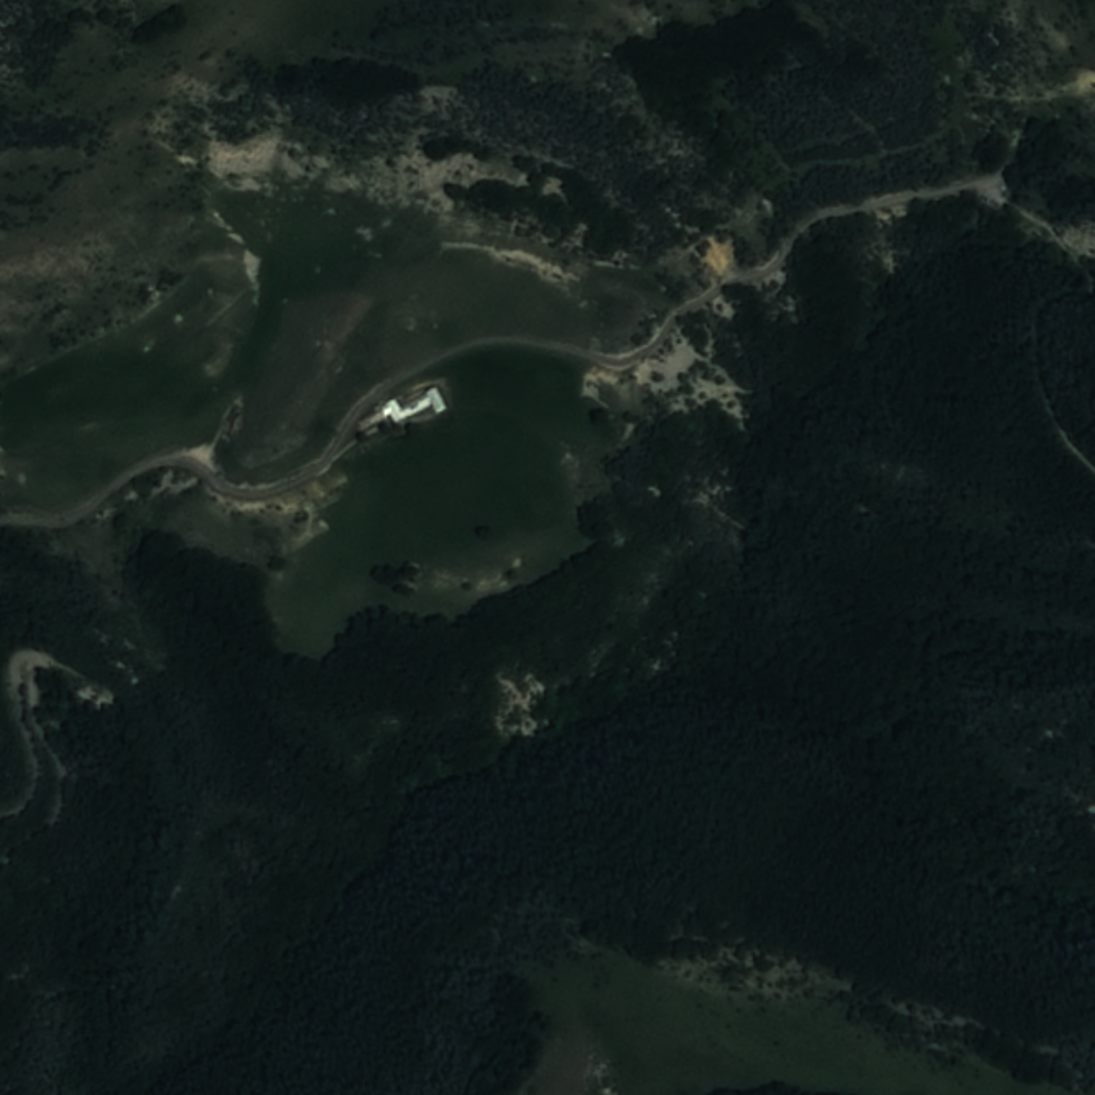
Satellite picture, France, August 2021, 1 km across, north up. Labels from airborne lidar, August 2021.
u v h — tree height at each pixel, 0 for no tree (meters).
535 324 0
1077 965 21
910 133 6
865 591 25
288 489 0
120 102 0
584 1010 0
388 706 23
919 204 14
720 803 17
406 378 0
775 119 13
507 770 23
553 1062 0
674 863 16
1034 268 17
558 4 0
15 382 0
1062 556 8
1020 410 14
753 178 9
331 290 0
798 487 15
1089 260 10
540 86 8
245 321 0
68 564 6
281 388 0
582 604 12
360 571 0
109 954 23
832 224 14
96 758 22
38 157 0
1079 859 22
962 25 7
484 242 0
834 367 14
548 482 0
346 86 17
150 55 0
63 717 26
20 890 19
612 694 24
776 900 14
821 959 10
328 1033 19
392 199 0
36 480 0
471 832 20
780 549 23
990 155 19
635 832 22
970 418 19
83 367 0
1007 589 23
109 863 20
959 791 22
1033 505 14
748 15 11
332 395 0
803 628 23
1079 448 10
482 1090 15
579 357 0
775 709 25
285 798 15
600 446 0
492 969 6
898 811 22
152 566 23
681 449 15
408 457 0
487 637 24
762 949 9
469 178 0
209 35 0
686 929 9
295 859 10
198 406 0
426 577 0
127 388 0
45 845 16
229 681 25
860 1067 0
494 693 7
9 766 11
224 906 10
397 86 11
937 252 11
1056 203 16
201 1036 17
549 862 16
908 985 13
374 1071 17
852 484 16
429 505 0
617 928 15
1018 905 27
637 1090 0
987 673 27
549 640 6
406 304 0
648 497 9
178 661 13
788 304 7
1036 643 31
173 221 0
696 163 6
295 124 7
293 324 0
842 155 8
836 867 18
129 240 0
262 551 0
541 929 6
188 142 8
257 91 8
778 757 17
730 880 13
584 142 9
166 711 14
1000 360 14
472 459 0
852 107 13
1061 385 8
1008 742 7
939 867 21
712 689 23
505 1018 16
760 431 22
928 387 22
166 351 0
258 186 0
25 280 0
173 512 0
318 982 26
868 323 12
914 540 19
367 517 0
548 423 0
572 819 21
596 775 22
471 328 0
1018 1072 17
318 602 0
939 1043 9
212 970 13
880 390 21
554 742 22
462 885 19
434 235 0
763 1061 0
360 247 0
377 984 23
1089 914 24
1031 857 7
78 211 0
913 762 19
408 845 23
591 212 15
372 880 31
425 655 30
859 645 31
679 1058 0
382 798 22
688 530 12
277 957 25
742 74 17
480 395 0
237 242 0
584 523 19
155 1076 23
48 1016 14
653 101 12
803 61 11
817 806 14
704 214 13
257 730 23
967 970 14
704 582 18
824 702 27
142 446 0
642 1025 0
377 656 30
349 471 0
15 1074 22
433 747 24
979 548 11
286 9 0
